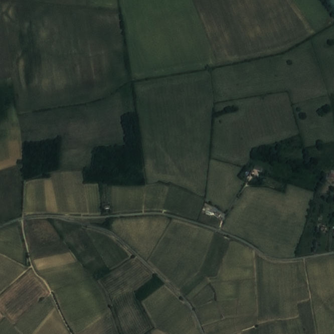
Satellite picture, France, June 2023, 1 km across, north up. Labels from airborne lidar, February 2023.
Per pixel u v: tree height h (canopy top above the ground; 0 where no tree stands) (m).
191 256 0
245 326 0
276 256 0
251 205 0
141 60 0
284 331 0
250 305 0
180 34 0
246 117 0
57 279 0
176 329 0
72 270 0
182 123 0
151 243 0
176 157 0
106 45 0
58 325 0
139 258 0
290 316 0
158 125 0
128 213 0
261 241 0
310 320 0
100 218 0
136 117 13
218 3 0
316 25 0
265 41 0
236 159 0
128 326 0
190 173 0
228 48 0
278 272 0
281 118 0
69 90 0
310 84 0
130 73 0
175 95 0
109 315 0
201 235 0
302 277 0
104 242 0
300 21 0
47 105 0
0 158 0
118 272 0
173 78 0
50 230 0
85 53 0
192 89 0
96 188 0
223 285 0
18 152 0
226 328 0
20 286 0
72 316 0
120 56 0
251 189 0
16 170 0
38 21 0
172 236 0
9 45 0
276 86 0
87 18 0
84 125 0
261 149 13
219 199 0
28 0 0
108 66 0
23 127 0
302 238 7
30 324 0
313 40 0
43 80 0
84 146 0
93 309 0
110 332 0
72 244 0
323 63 0
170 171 0
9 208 0
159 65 0
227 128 0
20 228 0
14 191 0
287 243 0
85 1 0
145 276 0
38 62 0
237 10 0
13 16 0
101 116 0
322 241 0
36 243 0
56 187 0
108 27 0
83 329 0
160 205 0
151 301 0
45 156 6
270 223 0
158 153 0
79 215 0
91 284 0
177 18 0
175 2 0
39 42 0
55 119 0
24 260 0
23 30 0
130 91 0
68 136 0
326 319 0
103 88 0
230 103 0
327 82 0
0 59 0
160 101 0
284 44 0
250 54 0
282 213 0
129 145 16
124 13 0
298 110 15
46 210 0
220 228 0
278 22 0
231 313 0
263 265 0
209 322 0
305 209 0
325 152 0
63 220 0
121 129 0
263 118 0
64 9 0
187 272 0
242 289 0
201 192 0
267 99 0
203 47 0
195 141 0
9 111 0
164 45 0
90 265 0
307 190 0
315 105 0
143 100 0
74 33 0
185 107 0
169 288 0
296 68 0
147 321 0
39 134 0
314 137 0
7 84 0
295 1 0
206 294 0
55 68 0
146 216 0
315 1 0
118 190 0
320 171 8
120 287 0
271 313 0
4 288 0
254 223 0
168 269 0
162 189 0
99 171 12
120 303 0
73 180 0
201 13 0
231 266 0
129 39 0
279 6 0
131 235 0
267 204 0
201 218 0
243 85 0
